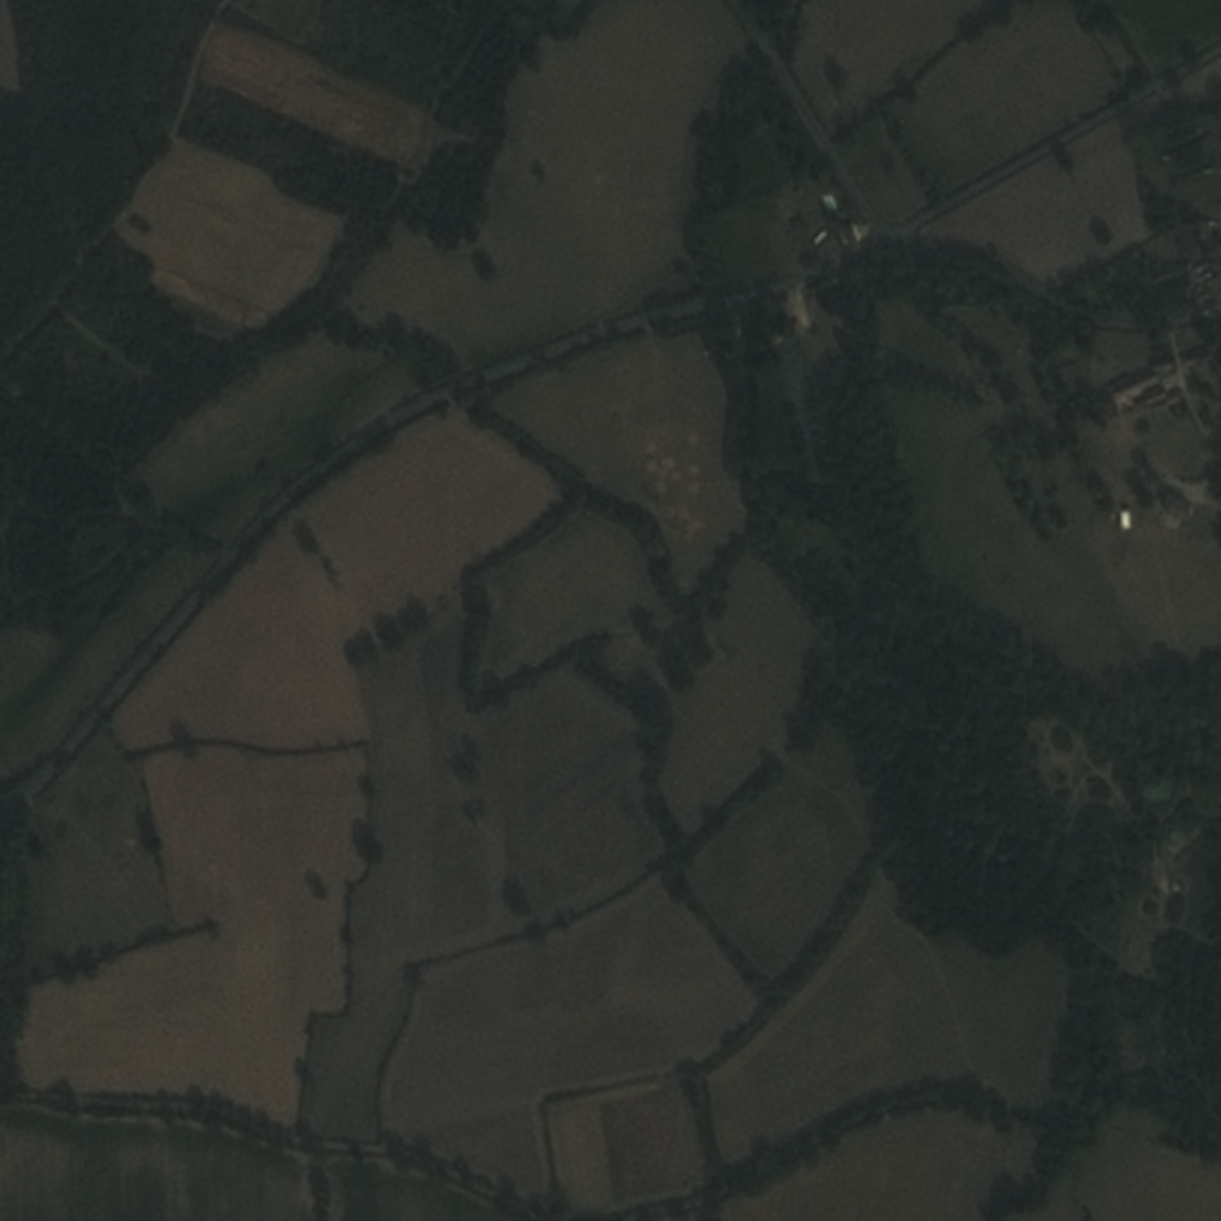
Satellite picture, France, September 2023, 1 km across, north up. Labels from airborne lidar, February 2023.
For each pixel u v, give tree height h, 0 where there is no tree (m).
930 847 18
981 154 0
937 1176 0
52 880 0
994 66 0
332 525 0
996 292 7
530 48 16
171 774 0
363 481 0
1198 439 0
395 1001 0
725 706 0
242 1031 0
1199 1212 0
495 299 0
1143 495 19
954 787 7
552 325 0
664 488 0
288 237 0
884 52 0
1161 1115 19
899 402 0
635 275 0
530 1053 0
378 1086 0
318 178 6
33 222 22
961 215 0
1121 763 6
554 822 0
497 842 0
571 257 0
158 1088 0
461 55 9
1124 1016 8
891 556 22
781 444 0
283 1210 0
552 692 0
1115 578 0
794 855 0
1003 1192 16
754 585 0
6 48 0
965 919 20
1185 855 0
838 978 0
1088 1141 16
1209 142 0
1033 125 0
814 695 15
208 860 0
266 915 0
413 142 0
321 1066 0
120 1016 0
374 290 0
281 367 0
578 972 0
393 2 8
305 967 0
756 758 0
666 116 0
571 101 0
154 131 18
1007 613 0
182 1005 0
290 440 0
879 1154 0
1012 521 0
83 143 20
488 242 0
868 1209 0
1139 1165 0
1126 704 27
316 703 0
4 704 0
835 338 0
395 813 0
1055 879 23
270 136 9
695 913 9
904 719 18
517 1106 0
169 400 13
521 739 0
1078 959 19
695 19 0
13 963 17
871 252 14
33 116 16
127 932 0
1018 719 10
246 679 0
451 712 0
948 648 28
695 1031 0
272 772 0
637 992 0
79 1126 0
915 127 0
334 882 0
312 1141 16
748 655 0
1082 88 0
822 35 0
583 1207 0
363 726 0
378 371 0
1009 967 0
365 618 0
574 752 0
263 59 0
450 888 0
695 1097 9
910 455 0
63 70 20
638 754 18
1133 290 14
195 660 0
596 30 0
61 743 0
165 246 0
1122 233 0
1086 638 0
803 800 0
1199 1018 8
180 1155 0
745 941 0
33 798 0
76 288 6
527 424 0
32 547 9
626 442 0
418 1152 13
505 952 0
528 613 0
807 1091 0
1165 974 10
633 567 0
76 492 9
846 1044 0
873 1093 0
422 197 8
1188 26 0
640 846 0
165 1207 0
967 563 0
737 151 0
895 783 16
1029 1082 0
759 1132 0
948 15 0
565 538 0
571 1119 0
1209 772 21
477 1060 0
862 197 0
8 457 11
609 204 0
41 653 0
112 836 0
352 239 9
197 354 11
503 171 0
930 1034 0
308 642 0
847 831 0
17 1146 0
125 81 18
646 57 0
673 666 20
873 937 0
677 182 0
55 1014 0
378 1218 0
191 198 0
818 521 9
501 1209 12
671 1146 0
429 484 0
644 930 0
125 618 0
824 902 0
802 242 0
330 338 17
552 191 0
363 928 0
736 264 0
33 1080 0
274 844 0
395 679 0
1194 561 0
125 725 0
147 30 15
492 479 0
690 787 0
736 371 9
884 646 9
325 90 0
